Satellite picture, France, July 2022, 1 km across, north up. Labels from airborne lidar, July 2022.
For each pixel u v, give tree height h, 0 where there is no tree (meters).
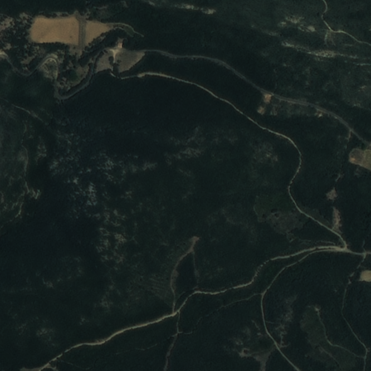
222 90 10
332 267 6
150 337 6
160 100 8
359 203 7
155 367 9
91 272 6
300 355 6
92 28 0
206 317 10
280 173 7
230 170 6
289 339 6
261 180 6
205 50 6
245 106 10
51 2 8
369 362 8
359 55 0
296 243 6
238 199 6
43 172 8
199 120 8
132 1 12
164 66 8
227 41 9
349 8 10
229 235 6
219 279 7
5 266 6
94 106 7
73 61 12
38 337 6
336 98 7
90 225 6
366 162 0
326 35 0
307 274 6
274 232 8
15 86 8
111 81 7
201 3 8
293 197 9
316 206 13
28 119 6
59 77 11
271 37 6
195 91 7
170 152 6
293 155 8
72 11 9
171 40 7
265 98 0
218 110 8
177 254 0
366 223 6
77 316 8
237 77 7
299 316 6
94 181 6
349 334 8
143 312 6
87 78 8
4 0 8
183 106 9
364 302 6
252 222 6
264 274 6
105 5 7
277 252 6
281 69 8
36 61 6
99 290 5
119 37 7
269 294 6
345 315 6
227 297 8
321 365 6
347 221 6
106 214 0
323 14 8
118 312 7
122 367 7
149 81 6
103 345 6
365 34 6
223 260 6
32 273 6
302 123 6
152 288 6
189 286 7
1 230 7
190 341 6
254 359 8
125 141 7
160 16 10
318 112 0
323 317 8
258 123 9
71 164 6
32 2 10
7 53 9
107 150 6
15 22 10
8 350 6
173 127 7
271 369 8
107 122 6
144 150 7
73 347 7
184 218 5
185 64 8
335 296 7
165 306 7
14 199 6
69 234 7
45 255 5
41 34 0
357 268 7
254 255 10
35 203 6
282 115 7
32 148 6
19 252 6
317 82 6
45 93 7
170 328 8
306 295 6
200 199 8
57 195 6
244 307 6
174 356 6
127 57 0
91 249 5
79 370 9
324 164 7
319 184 12
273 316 7
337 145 6
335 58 6
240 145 5
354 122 9
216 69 7
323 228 8
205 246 5
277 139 6
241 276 9
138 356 7
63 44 9
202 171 7
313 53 9
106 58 0
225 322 7
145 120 6
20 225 7
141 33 6
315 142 6
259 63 6
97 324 6
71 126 6
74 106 7
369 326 6
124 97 9
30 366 7
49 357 7
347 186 7
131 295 0
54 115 9
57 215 6
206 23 6
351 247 6
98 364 6
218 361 8
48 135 7
